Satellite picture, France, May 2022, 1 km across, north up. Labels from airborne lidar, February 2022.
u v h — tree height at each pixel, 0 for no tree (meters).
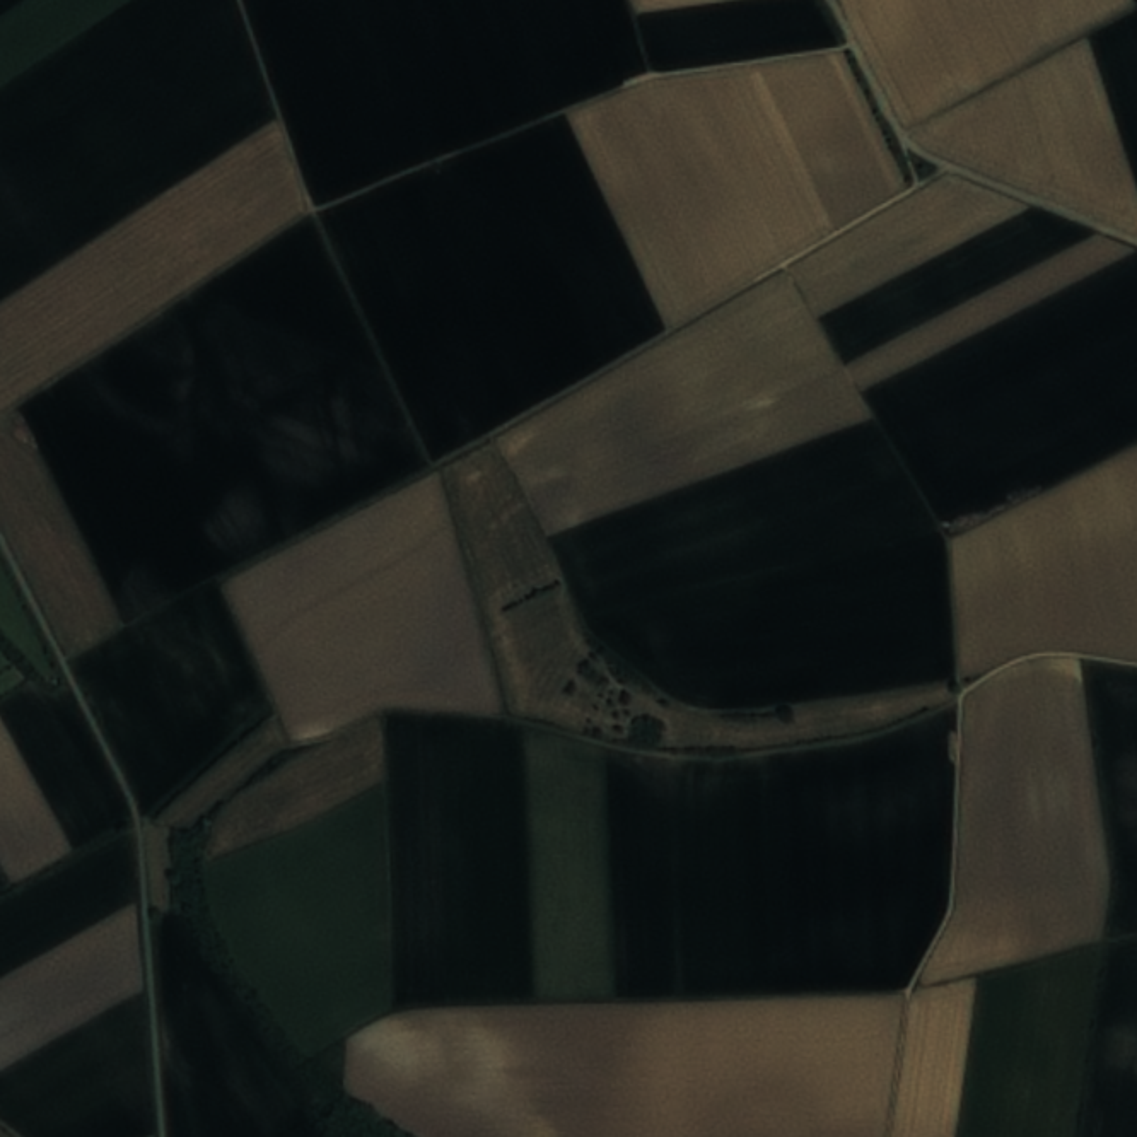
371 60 0
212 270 0
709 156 0
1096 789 0
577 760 0
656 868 0
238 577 0
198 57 0
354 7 0
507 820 0
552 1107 0
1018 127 0
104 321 0
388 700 0
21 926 0
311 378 0
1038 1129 0
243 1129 0
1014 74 0
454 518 0
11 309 0
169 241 0
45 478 0
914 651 0
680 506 0
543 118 0
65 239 0
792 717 8
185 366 0
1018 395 0
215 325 0
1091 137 0
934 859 0
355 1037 0
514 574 0
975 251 0
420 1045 0
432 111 0
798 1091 0
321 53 0
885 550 0
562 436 0
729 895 0
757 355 0
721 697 0
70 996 0
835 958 0
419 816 0
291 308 0
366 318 0
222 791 0
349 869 0
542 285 0
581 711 0
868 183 0
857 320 0
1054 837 0
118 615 0
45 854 0
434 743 0
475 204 0
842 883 0
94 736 0
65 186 0
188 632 0
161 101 0
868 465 0
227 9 0
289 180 0
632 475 0
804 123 0
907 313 0
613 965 0
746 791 0
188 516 0
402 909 0
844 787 0
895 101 0
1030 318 0
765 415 0
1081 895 0
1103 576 0
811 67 0
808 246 0
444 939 0
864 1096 0
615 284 0
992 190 0
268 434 0
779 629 0
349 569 0
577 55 0
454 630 0
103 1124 0
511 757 0
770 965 0
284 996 0
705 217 0
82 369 0
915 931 0
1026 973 0
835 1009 0
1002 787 0
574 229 0
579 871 0
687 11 0
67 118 0
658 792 0
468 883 0
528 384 0
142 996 0
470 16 0
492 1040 0
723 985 0
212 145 0
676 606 0
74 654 0
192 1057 0
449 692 0
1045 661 0
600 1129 0
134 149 0
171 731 0
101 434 0
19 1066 0
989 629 0
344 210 0
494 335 0
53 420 0
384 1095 0
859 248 0
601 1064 0
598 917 0
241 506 0
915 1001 0
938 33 0
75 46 0
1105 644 0
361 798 0
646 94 0
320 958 0
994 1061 0
